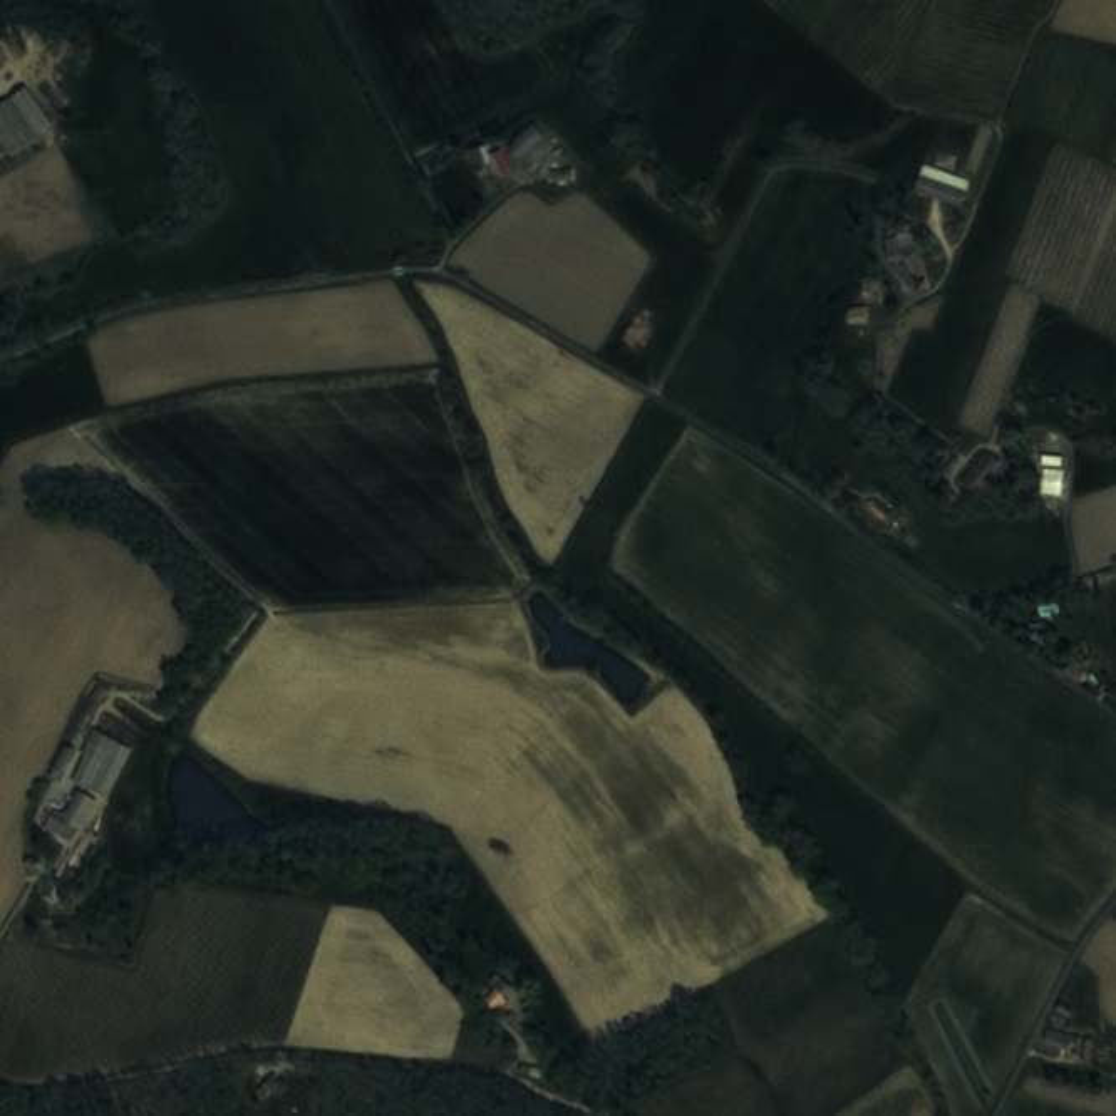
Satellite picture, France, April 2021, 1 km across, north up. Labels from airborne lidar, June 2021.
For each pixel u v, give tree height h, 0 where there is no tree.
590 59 17
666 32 0
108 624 0
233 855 18
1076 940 0
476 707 0
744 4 0
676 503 0
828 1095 0
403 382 0
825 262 0
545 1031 7
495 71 0
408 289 0
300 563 0
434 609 0
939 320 0
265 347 0
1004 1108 0
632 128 15
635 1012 0
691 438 0
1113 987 0
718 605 0
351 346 0
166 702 18
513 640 0
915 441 10
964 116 0
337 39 6
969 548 0
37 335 21
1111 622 0
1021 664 0
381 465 0
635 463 0
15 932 0
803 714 0
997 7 0
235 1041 0
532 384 0
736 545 0
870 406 11
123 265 0
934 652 0
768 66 0
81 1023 0
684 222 0
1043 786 0
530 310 0
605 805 0
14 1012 0
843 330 0
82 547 0
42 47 0
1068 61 0
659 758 0
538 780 0
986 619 12
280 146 0
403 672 0
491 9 23
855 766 0
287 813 0
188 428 0
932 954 0
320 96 0
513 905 0
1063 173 0
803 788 0
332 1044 0
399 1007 0
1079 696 0
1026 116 0
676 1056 19
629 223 0
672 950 0
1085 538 0
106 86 0
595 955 0
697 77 0
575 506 0
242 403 0
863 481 0
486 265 0
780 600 0
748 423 0
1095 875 0
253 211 0
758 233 0
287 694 0
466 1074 17
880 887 0
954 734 0
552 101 0
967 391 0
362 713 0
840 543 0
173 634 0
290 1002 0
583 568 0
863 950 23
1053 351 0
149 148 0
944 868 0
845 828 0
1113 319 0
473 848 0
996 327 0
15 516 0
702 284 0
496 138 12
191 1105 19
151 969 0
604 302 0
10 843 0
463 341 0
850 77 0
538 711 0
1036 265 0
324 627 0
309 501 0
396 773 0
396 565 0
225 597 16
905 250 0
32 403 0
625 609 0
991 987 0
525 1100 16
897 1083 0
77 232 0
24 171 0
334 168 0
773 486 0
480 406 0
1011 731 0
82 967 0
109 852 8
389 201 0
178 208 10
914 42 0
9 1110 17
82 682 0
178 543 23
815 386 21
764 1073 0
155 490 0
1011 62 0
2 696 0
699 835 0
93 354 0
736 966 0
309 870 16
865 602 0
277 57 0
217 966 0
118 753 0
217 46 0
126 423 0
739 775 14
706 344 0
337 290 0
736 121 0
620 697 0
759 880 0
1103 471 0
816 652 0
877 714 0
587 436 0
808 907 0
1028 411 0
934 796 0
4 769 0
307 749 0
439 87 0
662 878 0
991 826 0
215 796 0
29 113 0
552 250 0
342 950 0
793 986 0
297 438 0
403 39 0
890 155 0
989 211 0
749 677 0
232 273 0
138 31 16
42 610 0
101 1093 20
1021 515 13
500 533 0
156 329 0
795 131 17
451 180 0
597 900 0
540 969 0
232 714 0
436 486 0
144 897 0
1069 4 0
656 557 0
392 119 0
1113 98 0
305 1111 0
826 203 0
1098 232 0
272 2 0
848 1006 0
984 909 0
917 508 0
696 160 0
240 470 0
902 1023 17
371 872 16
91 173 0
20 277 0
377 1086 18
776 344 0
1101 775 0
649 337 0
